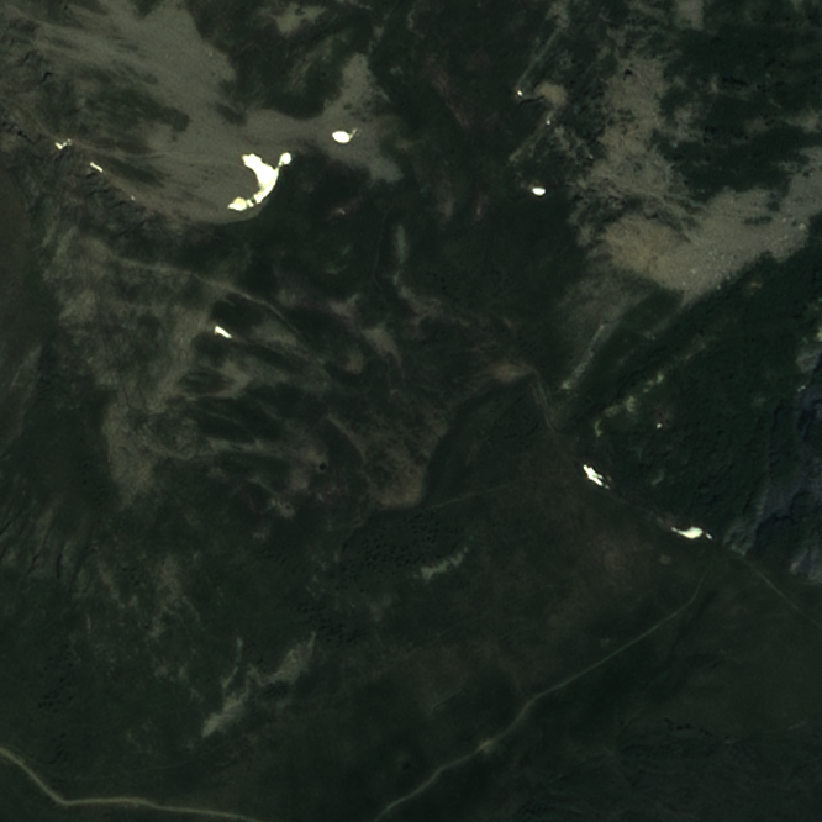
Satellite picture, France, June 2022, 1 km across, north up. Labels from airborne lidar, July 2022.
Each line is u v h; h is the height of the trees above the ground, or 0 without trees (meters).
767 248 0
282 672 0
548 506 0
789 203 0
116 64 0
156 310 0
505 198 0
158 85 0
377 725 0
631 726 0
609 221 7
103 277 0
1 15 0
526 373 0
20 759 0
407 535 0
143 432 0
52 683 0
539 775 0
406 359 0
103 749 0
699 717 0
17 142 0
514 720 0
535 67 0
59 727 0
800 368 0
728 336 0
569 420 0
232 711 0
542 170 0
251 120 0
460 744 0
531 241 0
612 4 0
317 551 0
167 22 0
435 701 0
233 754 0
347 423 0
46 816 0
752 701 0
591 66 0
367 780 0
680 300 0
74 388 0
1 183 0
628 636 0
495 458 0
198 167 0
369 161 0
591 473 0
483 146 0
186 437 0
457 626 0
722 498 7
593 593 0
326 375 0
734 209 0
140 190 0
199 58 0
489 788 0
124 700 0
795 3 0
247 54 0
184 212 0
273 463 0
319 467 0
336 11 0
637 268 0
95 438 0
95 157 0
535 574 0
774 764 0
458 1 0
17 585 0
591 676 0
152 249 0
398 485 0
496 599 0
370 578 0
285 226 0
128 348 0
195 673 0
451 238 0
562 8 0
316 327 0
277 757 0
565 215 0
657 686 0
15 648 0
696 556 0
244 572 0
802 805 0
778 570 0
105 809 0
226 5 0
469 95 0
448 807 0
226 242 0
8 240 0
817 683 0
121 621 0
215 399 0
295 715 0
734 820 0
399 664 0
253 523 0
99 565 0
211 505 0
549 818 0
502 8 0
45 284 0
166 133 0
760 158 12
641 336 0
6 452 0
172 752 0
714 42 8
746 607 0
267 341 0
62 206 0
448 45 0
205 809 0
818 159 0
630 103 0
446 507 0
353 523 0
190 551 0
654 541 0
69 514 0
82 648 0
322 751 0
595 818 0
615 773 0
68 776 0
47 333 0
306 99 0
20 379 0
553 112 0
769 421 6
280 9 0
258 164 0
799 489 0
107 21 0
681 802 0
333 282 0
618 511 0
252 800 0
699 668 0
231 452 0
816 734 0
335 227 0
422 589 0
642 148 0
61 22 0
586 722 0
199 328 0
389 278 0
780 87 12
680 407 0
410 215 0
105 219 0
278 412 0
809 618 0
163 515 0
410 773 0
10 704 0
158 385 0
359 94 0
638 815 0
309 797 0
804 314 6
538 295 0
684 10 0
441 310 0
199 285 0
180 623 0
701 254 0
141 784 0
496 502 0
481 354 0
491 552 0
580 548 0
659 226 0
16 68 0
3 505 0
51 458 0
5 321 0
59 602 0
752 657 0
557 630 0
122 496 0
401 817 0
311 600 0
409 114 0
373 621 0
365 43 0
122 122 0
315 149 0
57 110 0
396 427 0
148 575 0
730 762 0
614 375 0
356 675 0
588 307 0
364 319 0
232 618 0
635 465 6
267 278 0
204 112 0
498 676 0
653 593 0
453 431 0
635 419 0
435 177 0
